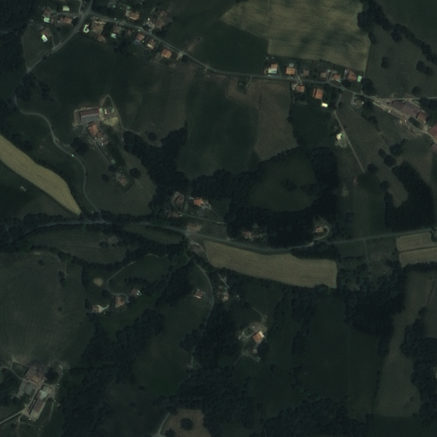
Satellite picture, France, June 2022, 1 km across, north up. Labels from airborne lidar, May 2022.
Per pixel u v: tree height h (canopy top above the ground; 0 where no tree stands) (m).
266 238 8
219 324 20
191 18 0
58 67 0
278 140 0
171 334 0
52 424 0
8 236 19
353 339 0
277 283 7
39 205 0
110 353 20
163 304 16
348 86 17
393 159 19
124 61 0
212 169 0
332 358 0
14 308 0
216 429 24
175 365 0
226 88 0
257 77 0
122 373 25
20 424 0
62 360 0
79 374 17
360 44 0
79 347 0
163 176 25
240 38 0
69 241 0
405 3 0
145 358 0
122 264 10
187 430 16
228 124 0
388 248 0
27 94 20
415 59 0
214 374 24
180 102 0
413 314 0
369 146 0
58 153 0
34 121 0
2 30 10
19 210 0
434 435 0
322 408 26
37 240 0
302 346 16
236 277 23
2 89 0
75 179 0
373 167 18
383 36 0
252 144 0
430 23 0
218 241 0
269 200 0
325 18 0
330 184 21
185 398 16
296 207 0
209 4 0
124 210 0
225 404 28
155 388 0
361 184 0
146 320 9
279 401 0
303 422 21
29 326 0
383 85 0
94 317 14
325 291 25
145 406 0
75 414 19
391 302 22
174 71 0
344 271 16
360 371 0
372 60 0
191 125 0
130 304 11
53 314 0
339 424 10
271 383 0
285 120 0
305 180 0
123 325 0
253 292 0
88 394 25
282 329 7
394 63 0
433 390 21
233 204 15
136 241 19
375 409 0
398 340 0
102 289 0
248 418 22
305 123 0
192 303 0
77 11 0
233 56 0
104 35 7
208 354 25
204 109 0
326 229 8
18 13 19
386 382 0
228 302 0
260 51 0
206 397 15
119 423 0
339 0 0
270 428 14
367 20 19
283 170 0
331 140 0
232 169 0
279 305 9
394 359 0
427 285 0
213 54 0
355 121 0
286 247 22
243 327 8
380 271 0
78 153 13
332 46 0
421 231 0
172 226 10
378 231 0
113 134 0
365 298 25
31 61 0
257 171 9
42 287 0
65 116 0
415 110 0
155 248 16
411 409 0
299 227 12
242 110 0
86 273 17
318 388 0
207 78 0
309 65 0
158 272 0
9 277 0
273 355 0
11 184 0
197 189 19
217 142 0
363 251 0
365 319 20
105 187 0
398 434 0
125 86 0
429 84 0
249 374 0
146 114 0
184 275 21
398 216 10
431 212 12
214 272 16
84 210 8
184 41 0
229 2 0
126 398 0
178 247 15
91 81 0
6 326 0
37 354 0
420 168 0
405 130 0
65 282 18
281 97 0
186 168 0
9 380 6
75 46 0
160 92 0
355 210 0
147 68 0
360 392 0
